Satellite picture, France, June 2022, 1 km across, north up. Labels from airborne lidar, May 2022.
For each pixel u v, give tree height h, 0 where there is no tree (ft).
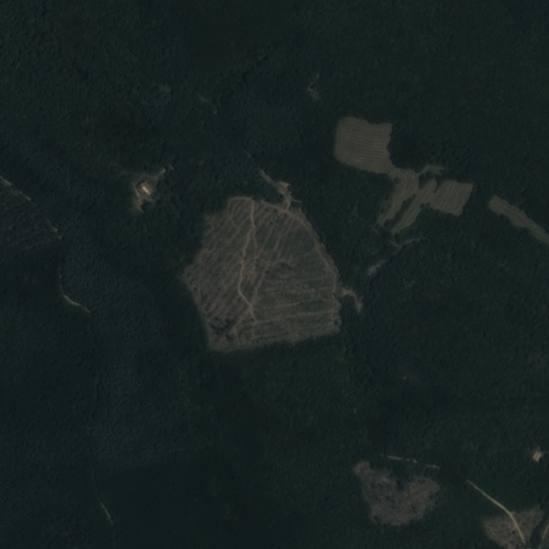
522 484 26
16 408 60
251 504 45
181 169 69
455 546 45
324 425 68
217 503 44
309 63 52
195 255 60
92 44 79
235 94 74
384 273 48
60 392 51
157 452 55
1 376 46
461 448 46
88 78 81
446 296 55
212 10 53
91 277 54
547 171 46
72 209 58
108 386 52
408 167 60
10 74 76
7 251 48
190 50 61
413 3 64
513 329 41
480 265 37
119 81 77
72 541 49
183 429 64
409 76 56
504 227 27
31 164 65
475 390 68
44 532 60
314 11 60
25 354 35
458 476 40
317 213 51
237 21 70
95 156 71
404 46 66
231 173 82
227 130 62
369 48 59
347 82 62
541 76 62
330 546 35
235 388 31
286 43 59
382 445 46
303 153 73
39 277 48
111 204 61
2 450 48
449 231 57
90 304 71
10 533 65
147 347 65
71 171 79
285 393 55
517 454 30
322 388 52
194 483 36
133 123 51
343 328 63
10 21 75
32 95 76
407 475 40
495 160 46
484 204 66
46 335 54
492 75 64
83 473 48
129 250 60
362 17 54
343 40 51
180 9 44
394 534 42
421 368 43
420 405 62
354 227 60
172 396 60
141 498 43
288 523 43
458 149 43
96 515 33
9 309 45
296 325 0
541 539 39
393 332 55
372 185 47
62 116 69
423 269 62
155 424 60
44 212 58
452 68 58
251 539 42
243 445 25
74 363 66
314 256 0
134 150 22
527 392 58
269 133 72
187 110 59
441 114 41
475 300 63
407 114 57
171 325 61
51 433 44
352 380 54
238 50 64
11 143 60
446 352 53
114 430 65
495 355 42
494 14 53
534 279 37
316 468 53
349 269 40
